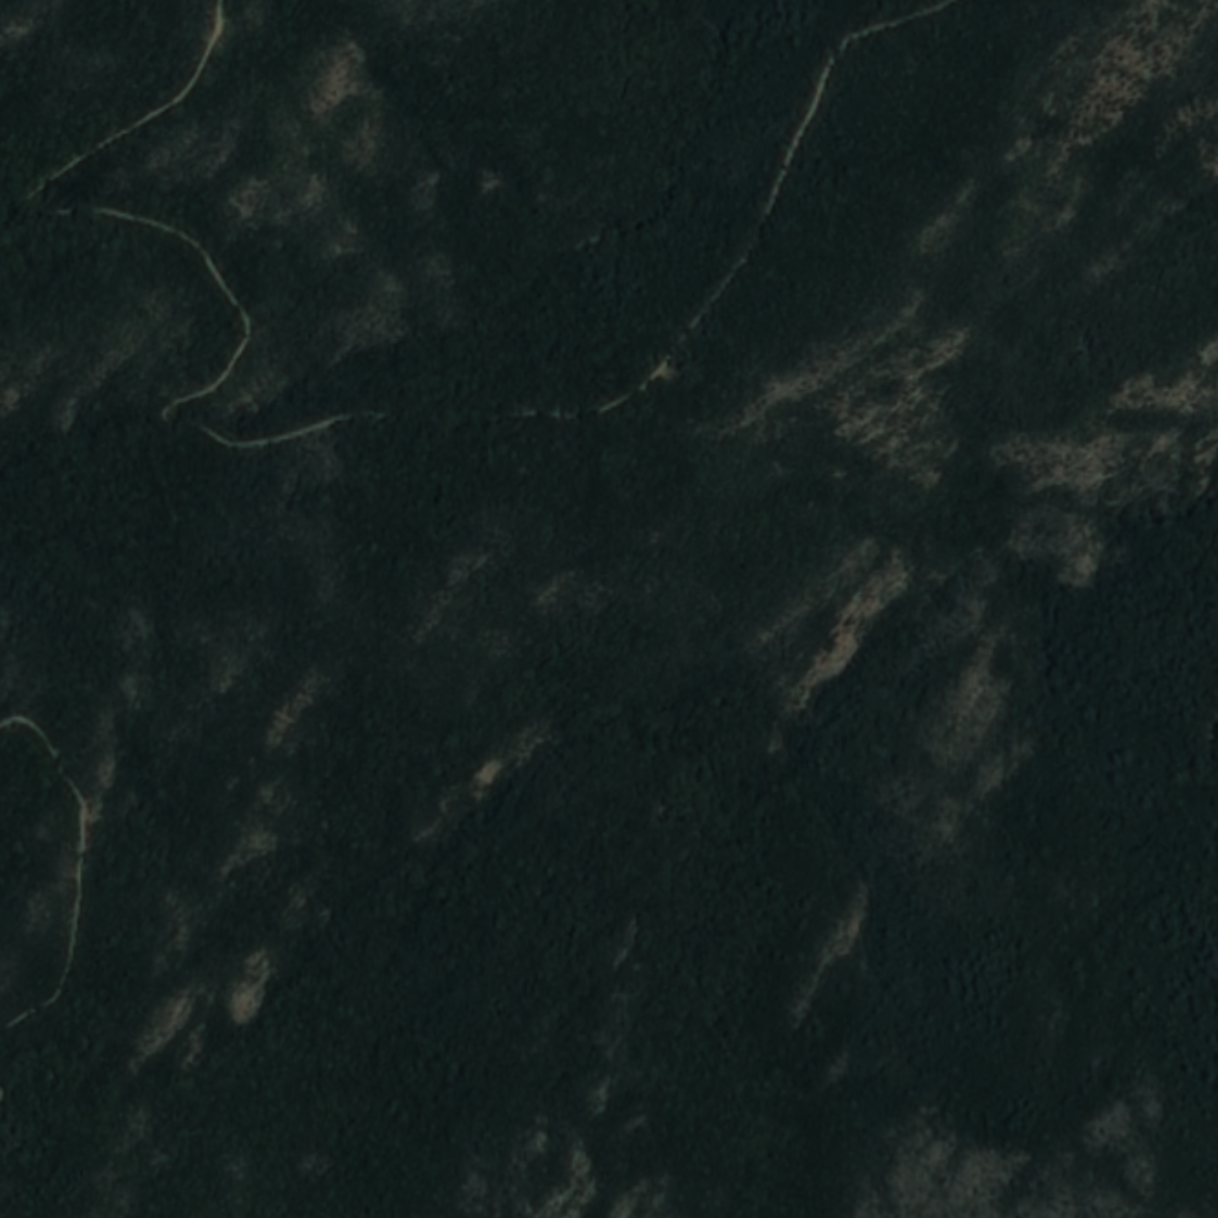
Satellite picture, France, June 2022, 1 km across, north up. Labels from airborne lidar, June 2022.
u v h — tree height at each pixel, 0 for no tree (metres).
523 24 10
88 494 12
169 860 10
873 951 5
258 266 10
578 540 8
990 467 9
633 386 7
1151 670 16
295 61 6
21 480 6
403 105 8
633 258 9
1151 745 7
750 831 11
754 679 11
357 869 10
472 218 9
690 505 9
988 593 8
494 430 12
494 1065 12
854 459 6
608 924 10
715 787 18
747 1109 8
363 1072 11
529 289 9
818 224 6
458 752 12
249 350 8
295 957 6
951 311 8
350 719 6
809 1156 8
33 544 8
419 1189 7
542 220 14
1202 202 11
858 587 7
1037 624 11
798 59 6
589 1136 7
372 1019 12
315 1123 11
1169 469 6
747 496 5
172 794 9
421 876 11
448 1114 7
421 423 10
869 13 8
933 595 6
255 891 13
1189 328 11
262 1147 8
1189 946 7
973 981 11
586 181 7
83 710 6
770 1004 8
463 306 5
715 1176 8
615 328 9
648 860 20
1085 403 9
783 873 6
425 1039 14
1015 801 9
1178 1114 7
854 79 6
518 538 6
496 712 11
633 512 7
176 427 14
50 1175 6
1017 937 7
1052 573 7
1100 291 6
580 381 11
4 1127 17
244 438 9
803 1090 6
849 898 6
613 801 11
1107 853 11
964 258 6
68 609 7
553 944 9
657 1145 9
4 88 12
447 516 9
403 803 10
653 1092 8
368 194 7
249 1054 7
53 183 9
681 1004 15
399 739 8
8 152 13
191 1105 9
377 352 6
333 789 9
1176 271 12
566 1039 9
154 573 11
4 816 10
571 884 15
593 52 9
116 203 7
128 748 10
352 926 11
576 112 11
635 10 15
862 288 6
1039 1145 6
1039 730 8
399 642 6
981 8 5
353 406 9
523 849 7
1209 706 15
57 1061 12
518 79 7
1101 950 9
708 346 7
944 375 6
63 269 8
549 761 10
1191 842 7
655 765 13
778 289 6
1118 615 13
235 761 7
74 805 5
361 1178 8
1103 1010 5
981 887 7
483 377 12
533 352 10
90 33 8
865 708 8
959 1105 6
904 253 6
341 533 5
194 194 10
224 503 7
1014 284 11
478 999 7
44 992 6
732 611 7
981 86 8
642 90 9
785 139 6
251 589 7
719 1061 8
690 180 8
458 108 10
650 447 6
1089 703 6
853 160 7
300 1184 7
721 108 9
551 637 12
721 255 10
